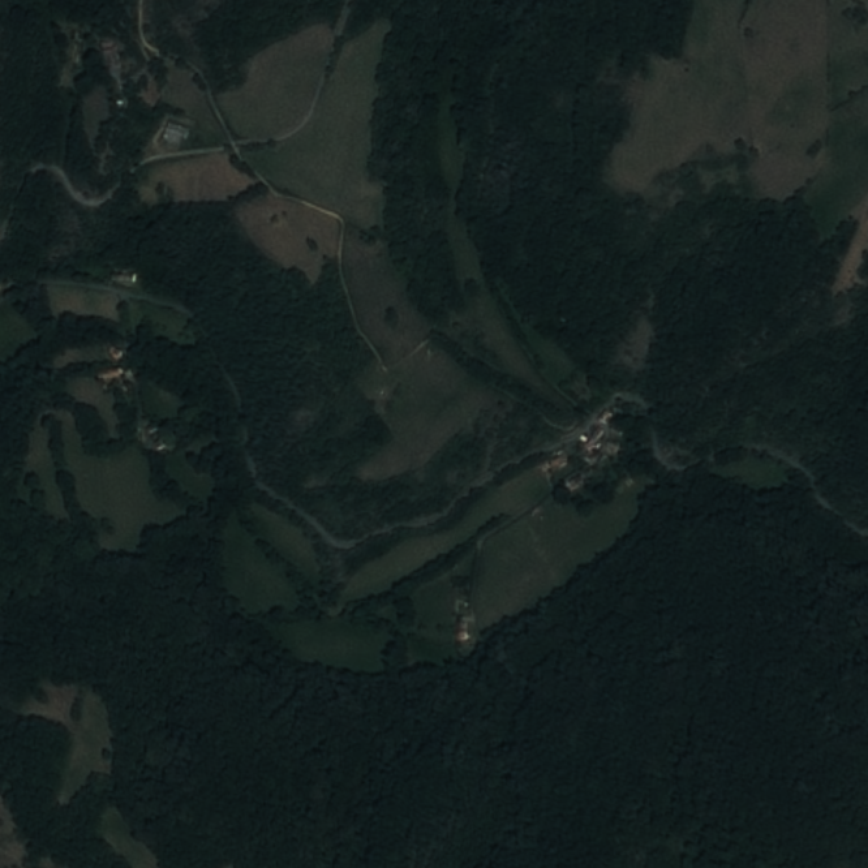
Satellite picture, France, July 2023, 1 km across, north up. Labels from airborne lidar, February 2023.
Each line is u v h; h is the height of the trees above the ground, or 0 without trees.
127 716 15
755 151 11
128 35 8
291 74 0
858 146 0
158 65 12
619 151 0
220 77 7
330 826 20
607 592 19
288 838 17
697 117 0
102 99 0
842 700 21
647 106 0
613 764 18
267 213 0
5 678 24
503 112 6
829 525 23
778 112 0
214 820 21
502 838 26
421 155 11
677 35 8
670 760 16
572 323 16
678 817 16
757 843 15
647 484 0
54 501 0
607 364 7
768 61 0
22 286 13
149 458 7
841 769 18
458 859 18
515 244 10
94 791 6
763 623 22
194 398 22
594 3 6
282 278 8
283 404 15
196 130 0
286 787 25
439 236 15
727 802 14
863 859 11
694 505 19
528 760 24
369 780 18
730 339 13
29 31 14
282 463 7
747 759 21
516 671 24
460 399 0
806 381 11
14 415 11
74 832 11
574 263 13
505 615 0
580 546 0
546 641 19
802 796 14
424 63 23
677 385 7
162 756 30
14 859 0
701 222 10
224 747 22
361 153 0
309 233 0
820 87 0
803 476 17
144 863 0
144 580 26
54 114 15
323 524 9
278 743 25
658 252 9
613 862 18
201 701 26
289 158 0
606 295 15
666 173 0
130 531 0
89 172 6
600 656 18
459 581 7
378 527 6
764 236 18
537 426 7
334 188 0
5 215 11
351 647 0
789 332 12
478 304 0
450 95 0
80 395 0
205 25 8
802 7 0
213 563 20
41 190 23
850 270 0
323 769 26
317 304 12
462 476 7
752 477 0
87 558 25
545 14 7
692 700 25
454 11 21
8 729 16
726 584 15
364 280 0
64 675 15
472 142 27
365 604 6
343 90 0
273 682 23
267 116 0
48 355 17
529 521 0
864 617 30
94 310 0
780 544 16
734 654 22
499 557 0
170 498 11
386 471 0
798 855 10
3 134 10
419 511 13
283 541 0
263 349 20
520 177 12
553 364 0
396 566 0
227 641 22
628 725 19
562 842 23
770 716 15
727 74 0
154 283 8
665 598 17
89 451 15
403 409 0
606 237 12
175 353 21
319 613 17
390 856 18
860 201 0
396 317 15
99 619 20
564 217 7
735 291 13
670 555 20
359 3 8
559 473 0
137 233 16
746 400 11
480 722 18
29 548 11
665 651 9
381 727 7
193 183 0
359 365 11
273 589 0
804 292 12
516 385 8
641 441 13
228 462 21
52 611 24
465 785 15
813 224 16
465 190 16
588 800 25
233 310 21
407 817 17
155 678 17
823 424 11
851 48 0
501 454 10
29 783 14
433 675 25
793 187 0
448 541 0
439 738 15
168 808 27
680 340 14
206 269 21
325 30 0
